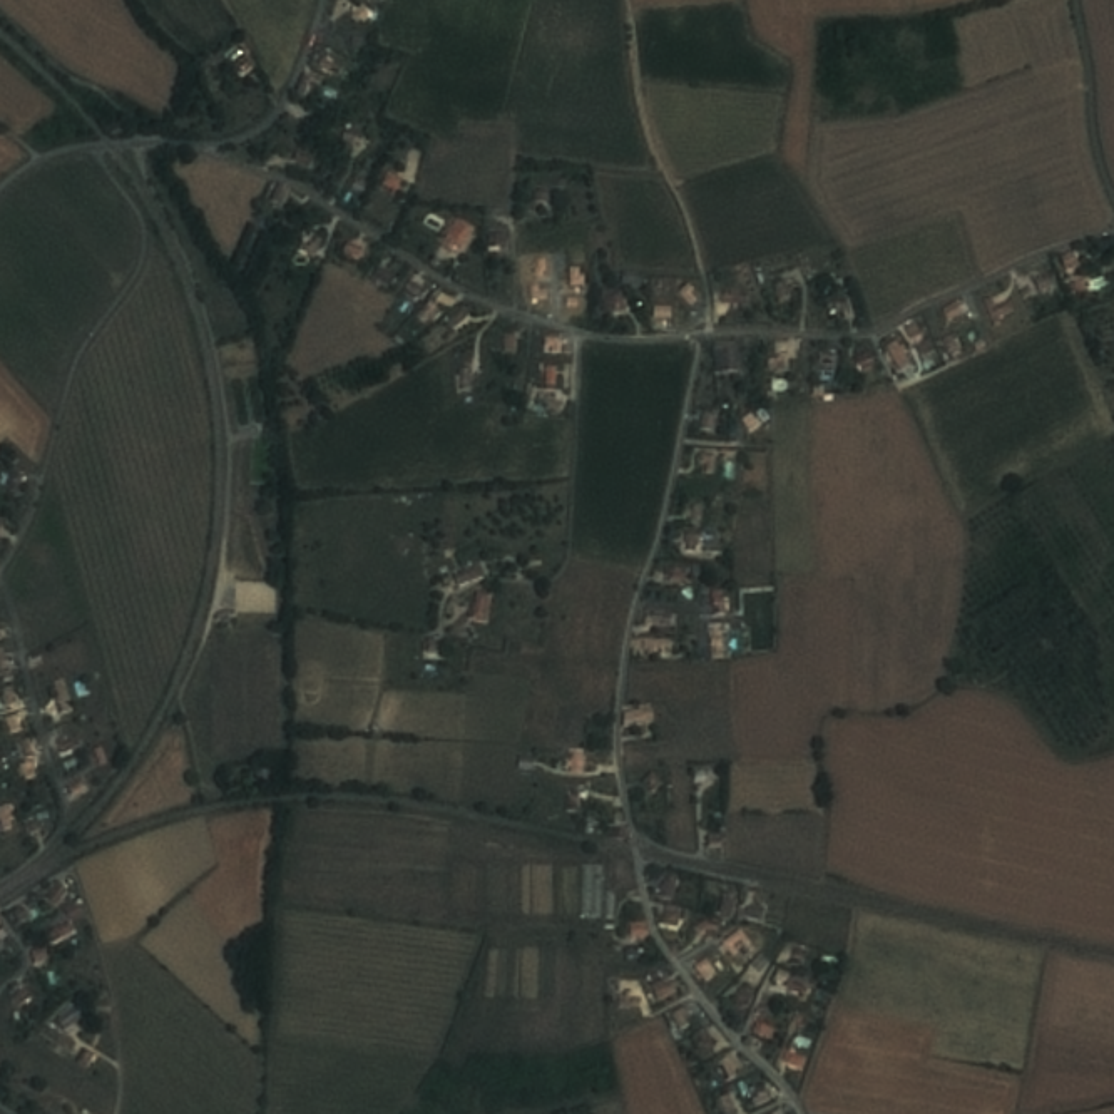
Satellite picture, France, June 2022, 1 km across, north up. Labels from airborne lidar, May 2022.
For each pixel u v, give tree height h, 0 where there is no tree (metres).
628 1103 0
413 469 0
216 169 0
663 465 0
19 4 0
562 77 0
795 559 0
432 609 9
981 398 0
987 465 0
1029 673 19
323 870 0
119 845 0
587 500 0
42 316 0
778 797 0
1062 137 0
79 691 0
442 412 0
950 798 0
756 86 0
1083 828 0
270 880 17
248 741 0
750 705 0
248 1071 0
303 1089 0
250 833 0
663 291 0
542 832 0
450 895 0
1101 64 0
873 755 0
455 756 0
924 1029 0
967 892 0
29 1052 0
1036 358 0
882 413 0
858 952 0
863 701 0
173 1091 0
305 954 0
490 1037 0
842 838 0
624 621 0
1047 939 0
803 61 0
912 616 0
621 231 0
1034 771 0
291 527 14
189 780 11
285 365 9
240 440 0
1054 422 0
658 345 0
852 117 0
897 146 0
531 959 0
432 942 0
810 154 0
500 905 0
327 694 0
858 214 0
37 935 9
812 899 0
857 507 0
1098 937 0
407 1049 0
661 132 0
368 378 8
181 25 0
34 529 0
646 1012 0
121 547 0
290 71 0
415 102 0
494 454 0
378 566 0
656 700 0
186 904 0
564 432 0
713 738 0
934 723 0
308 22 0
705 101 0
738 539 0
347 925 0
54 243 0
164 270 0
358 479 0
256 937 20
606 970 0
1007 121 0
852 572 0
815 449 0
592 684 0
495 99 0
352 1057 0
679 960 0
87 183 0
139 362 0
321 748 0
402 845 0
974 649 18
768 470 0
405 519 0
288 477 14
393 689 0
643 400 0
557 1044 0
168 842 0
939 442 0
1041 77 0
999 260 0
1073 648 19
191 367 0
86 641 0
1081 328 6
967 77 0
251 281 14
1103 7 0
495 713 0
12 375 0
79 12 0
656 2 0
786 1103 0
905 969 0
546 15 0
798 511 0
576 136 0
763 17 0
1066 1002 0
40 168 0
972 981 0
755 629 0
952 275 0
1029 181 0
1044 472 0
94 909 0
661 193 0
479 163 0
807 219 0
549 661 0
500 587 8
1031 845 0
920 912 0
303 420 6
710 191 0
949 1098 0
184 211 10
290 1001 0
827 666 0
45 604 0
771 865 0
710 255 0
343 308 0
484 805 12
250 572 0
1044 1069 0
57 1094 0
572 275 0
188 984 0
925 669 0
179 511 0
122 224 0
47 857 0
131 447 0
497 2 0
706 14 0
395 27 0
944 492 0
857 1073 0
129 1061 0
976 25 0
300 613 13
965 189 0
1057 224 0
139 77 0
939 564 0
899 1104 0
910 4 0
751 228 0
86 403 0
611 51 0
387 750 0
